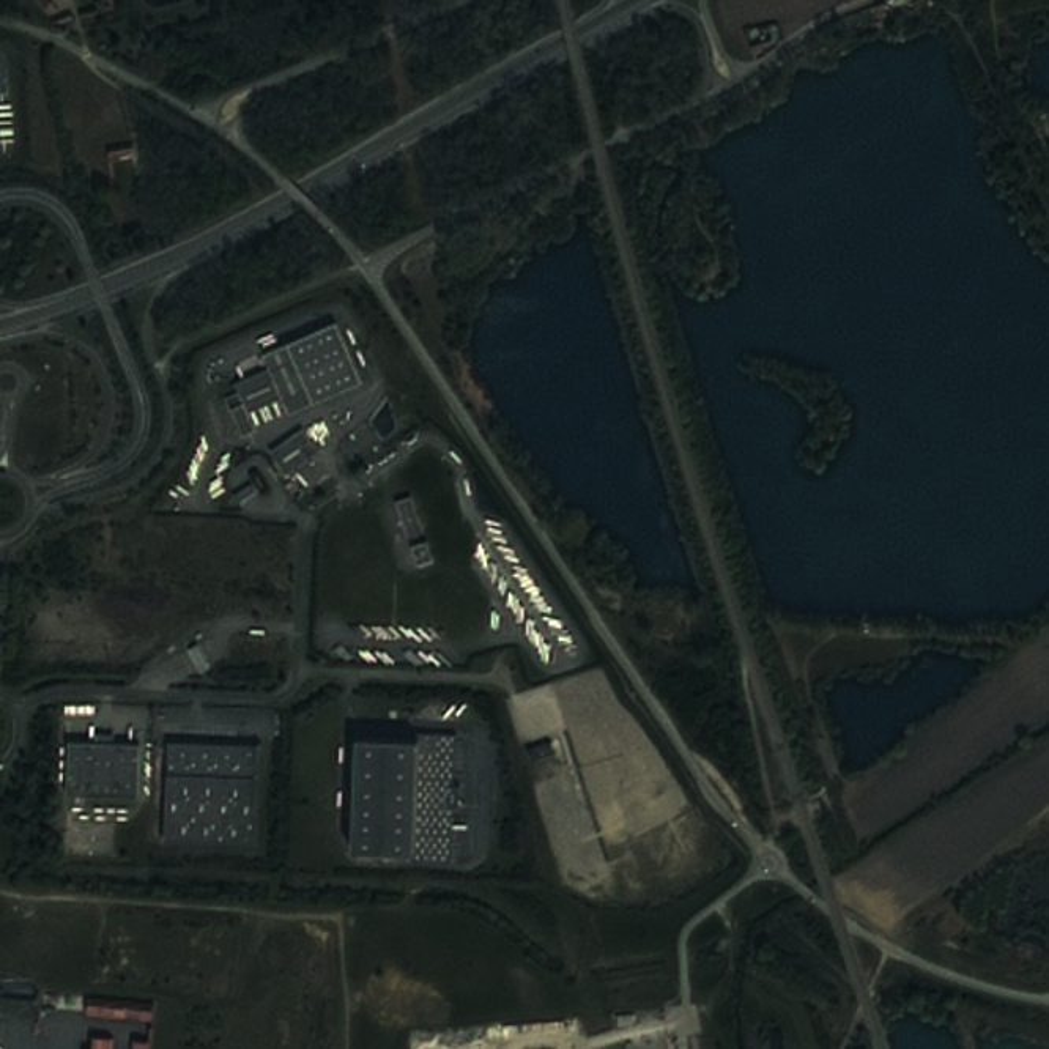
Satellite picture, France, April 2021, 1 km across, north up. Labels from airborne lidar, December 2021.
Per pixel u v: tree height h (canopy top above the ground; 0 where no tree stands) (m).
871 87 0
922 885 0
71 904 0
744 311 0
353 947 0
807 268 0
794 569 0
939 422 0
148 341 0
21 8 19
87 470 0
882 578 0
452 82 29
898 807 0
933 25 10
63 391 0
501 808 0
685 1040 0
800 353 0
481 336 0
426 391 0
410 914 0
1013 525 0
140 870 0
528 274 0
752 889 0
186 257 0
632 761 0
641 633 17
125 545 0
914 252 0
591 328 0
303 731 0
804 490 0
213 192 25
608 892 0
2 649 17
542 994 0
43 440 0
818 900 0
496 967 0
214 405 0
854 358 0
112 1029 0
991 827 0
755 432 0
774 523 0
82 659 0
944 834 0
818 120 0
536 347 0
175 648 0
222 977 0
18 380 0
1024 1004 0
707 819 0
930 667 0
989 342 0
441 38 32
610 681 0
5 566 6
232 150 19
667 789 0
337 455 0
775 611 27
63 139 12
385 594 0
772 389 0
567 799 0
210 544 0
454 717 0
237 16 19
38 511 0
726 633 9
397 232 16
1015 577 0
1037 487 0
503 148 21
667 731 0
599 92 6
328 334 0
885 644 0
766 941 14
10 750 0
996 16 0
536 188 17
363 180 25
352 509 0
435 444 0
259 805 0
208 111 0
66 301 0
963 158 0
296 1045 0
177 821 0
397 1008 0
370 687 6
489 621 0
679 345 14
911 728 9
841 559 0
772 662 9
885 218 0
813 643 0
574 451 0
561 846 0
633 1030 0
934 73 0
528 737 0
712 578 6
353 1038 0
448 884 0
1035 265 0
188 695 0
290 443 0
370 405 0
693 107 10
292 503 0
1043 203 25
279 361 0
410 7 29
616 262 8
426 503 0
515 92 28
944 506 0
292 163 19
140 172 15
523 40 10
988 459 0
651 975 0
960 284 0
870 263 0
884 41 0
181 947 0
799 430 0
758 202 0
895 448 0
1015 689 0
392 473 0
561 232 15
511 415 0
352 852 0
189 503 0
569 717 0
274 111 20
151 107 15
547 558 0
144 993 0
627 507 0
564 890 0
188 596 0
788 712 9
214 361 0
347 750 0
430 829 0
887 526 0
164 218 23
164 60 18
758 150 0
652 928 0
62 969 0
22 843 7
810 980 9
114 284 0
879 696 0
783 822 0
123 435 9
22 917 0
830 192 0
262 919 0
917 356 0
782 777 0
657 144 16
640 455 0
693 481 0
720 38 0
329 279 0
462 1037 0
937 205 0
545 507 19
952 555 0
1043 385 0
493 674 0
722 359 0
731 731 8
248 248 15
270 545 0
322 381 0
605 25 0
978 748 0
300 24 10
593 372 0
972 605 0
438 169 21
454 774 0
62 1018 0
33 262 7
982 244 0
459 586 0
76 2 0
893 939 0
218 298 15
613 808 0
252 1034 0
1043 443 0
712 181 10
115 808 0
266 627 0
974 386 0
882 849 0
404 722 0
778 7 0
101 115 0
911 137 0
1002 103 12
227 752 0
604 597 0
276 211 0
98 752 0
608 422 0
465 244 24
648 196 17
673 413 0
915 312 0
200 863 7
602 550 14
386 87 17
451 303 15
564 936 0
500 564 0
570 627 0
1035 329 0
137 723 0
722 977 0
